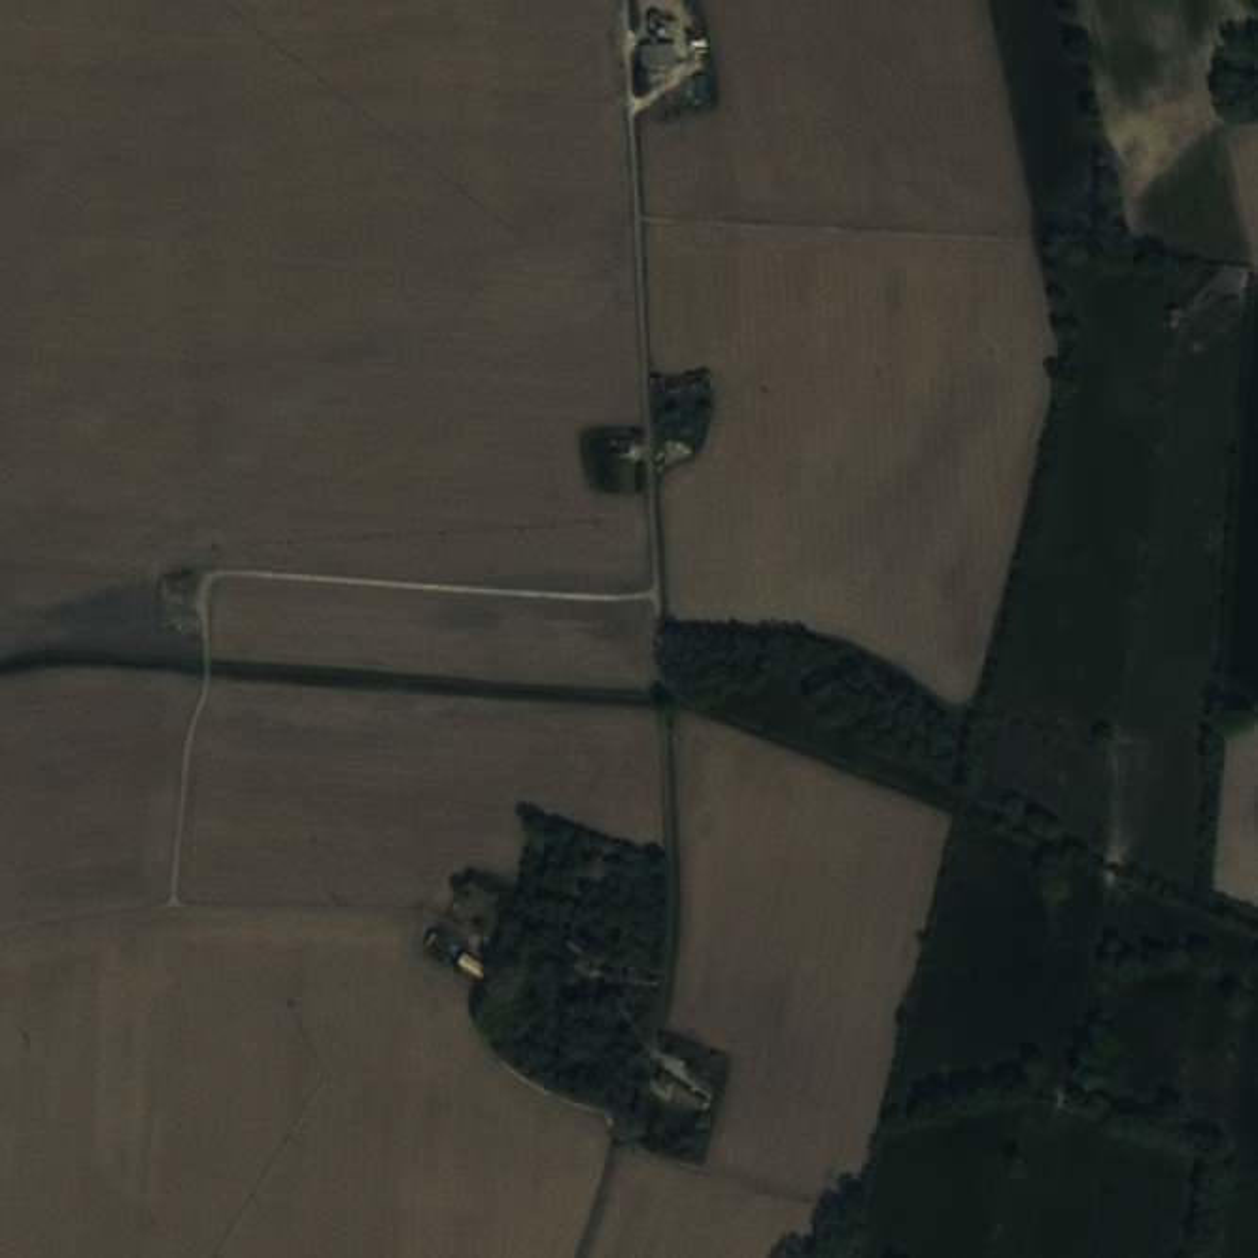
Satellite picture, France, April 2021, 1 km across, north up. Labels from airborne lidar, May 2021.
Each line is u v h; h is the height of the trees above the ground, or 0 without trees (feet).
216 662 0
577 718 0
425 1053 0
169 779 0
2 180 0
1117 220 76
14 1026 0
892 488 0
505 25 0
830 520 0
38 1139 0
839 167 0
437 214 0
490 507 0
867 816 0
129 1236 0
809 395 0
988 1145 0
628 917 63
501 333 0
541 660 0
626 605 0
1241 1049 0
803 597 0
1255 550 0
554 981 52
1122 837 0
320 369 0
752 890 0
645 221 0
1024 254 0
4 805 0
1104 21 0
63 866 0
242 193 0
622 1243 0
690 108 0
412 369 0
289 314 0
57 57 0
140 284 0
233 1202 0
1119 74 0
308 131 0
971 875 0
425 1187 0
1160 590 0
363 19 0
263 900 0
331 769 0
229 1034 0
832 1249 69
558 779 0
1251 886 0
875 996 0
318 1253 0
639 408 0
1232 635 0
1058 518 0
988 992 0
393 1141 0
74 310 0
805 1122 0
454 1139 0
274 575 0
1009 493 0
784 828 0
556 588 0
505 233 0
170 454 0
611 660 0
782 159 0
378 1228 0
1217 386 0
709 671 70
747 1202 0
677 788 0
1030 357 0
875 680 55
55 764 0
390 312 0
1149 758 0
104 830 0
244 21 0
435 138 0
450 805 0
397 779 0
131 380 0
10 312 0
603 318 0
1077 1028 0
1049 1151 0
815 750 0
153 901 0
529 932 51
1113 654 0
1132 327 0
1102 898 0
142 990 0
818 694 64
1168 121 0
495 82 0
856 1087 0
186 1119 0
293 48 0
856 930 0
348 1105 0
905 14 0
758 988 0
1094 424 0
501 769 0
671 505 0
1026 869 0
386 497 0
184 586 0
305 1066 0
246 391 0
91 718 0
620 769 0
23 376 0
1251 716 71
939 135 0
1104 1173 0
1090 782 0
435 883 0
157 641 0
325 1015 0
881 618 0
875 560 0
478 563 0
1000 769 0
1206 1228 68
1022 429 0
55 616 0
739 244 0
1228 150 0
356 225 0
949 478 0
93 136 0
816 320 0
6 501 0
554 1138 0
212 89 0
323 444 0
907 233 0
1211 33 0
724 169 0
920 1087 0
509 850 0
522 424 0
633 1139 80
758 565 0
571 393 0
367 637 0
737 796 0
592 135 0
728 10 0
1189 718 0
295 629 0
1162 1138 60
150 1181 0
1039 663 0
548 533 0
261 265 0
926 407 0
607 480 0
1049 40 0
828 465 0
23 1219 0
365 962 0
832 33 0
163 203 0
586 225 0
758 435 0
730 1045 0
